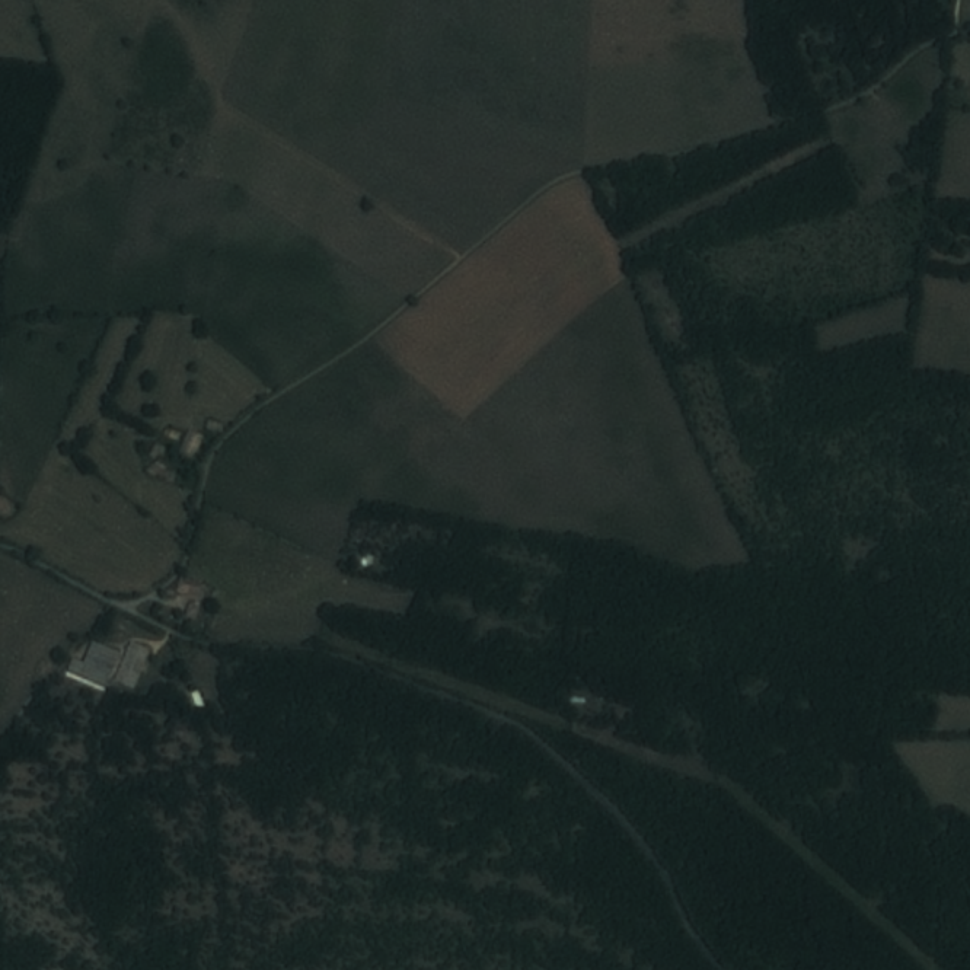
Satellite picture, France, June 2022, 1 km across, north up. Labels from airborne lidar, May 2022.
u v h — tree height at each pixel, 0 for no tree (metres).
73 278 0
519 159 0
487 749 10
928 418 6
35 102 12
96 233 0
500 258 0
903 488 6
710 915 10
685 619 10
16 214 12
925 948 11
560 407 0
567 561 8
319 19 0
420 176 0
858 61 11
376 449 0
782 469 10
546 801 9
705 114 0
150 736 9
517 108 0
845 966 14
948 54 12
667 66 0
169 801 11
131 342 15
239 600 0
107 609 7
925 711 10
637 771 7
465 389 0
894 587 13
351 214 0
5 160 12
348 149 0
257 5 0
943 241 18
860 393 11
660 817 11
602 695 10
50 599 0
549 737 13
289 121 0
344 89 0
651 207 10
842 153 9
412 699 13
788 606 13
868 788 9
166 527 0
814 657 15
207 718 12
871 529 10
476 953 6
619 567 12
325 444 0
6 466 0
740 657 13
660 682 8
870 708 15
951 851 8
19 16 0
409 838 7
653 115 0
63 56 0
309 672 12
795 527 9
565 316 0
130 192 0
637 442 0
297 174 0
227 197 0
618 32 0
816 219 11
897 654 14
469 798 11
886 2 11
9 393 0
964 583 12
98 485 0
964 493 8
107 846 10
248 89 0
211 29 0
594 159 0
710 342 11
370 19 0
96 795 10
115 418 11
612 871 12
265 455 0
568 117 0
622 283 0
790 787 10
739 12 0
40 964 7
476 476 0
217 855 8
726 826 12
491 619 0
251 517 0
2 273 10
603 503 0
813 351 13
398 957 6
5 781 7
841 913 16
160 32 0
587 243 0
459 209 0
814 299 6
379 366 0
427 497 0
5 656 0
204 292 0
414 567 13
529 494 0
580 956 7
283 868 7
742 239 14
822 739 14
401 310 0
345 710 14
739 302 9
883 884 10
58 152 0
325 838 6
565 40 0
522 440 0
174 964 10
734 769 10
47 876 6
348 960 7
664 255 11
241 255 0
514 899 9
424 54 0
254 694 10
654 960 10
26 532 0
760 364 6
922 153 11
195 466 14
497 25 0
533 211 0
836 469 8
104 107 0
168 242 0
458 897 7
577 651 12
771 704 12
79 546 0
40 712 13
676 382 8
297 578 0
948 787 0
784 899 12
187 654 0
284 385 0
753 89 0
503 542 6
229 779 10
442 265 0
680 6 0
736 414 9
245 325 0
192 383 9
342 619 13
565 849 9
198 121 0
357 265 0
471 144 0
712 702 13
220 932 11
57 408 0
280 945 8
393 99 0
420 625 15
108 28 0
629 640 11
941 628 10
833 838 11
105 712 7
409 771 11
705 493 0
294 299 0
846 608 13
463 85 0
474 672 12
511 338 0
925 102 0
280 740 12
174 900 6
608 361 0
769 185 12
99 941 7
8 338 14
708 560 0
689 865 9
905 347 15
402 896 9
